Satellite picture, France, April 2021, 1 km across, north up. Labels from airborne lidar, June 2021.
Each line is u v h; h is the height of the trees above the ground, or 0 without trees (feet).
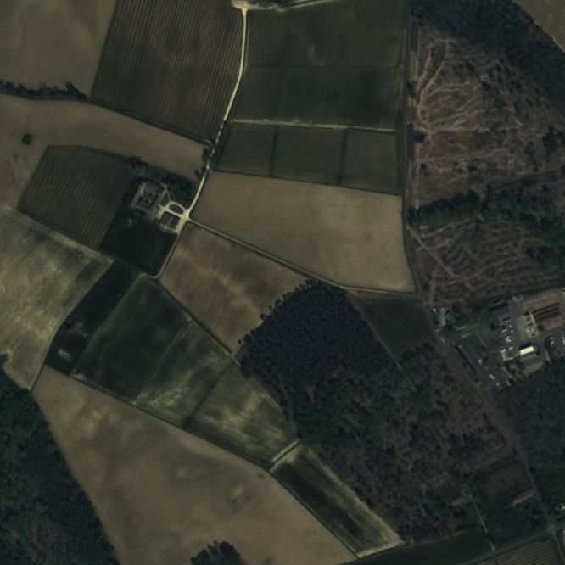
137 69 0
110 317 0
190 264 0
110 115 0
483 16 65
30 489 67
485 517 50
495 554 0
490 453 0
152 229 0
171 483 0
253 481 0
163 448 0
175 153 0
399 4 0
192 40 0
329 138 0
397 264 0
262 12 0
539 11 0
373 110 0
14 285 0
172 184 42
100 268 0
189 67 0
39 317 0
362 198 0
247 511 0
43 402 0
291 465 0
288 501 0
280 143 0
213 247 0
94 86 0
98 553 57
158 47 0
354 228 0
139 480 0
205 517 0
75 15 0
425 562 0
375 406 0
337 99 0
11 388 40
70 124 0
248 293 0
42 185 0
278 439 0
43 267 0
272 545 0
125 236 0
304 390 82
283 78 0
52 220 0
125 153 0
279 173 0
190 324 0
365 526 0
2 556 72
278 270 0
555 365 0
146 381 0
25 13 0
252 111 0
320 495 0
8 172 0
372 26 0
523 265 0
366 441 76
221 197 0
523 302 0
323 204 0
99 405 0
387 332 0
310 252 0
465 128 0
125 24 0
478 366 0
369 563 0
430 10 62
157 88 0
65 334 0
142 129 0
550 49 54
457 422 0
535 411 45
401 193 0
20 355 0
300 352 72
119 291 0
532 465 38
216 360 0
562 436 64
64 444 0
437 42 0
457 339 0
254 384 0
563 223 78
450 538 33
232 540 0
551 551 0
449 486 0
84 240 0
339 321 75
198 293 0
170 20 0
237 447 0
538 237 92
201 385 0
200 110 0
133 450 0
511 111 0
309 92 0
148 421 0
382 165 0
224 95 0
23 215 0
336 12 0
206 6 0
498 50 63
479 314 0
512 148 0
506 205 72
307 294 68
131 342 0
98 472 0
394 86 0
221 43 0
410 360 66
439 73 0
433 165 0
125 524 0
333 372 85
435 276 0
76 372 0
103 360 0
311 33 0
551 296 0
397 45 0
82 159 0
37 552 72
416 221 84
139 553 0
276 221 0
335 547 0
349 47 0
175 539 0
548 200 59
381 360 68
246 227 0
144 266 0
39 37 0
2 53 0
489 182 0
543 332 0
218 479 0
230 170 0
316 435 90
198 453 0
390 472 79
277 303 0
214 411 0
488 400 0
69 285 0
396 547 23
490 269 0
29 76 0
